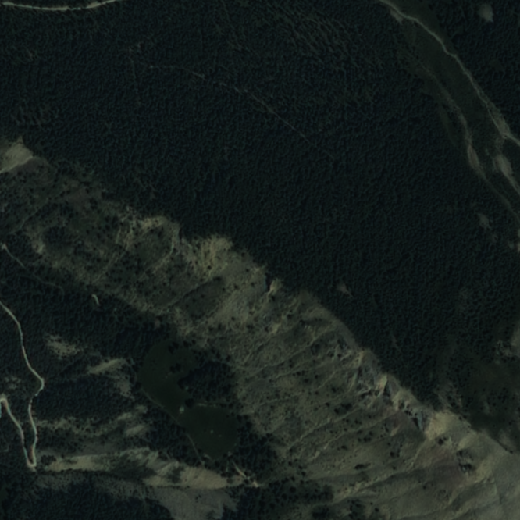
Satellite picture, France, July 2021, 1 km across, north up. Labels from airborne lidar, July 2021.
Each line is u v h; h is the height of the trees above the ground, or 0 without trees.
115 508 21
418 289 15
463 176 22
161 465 0
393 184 21
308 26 23
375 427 0
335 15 15
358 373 0
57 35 8
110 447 0
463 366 6
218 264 0
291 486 0
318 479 0
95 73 20
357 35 20
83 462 0
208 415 0
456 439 0
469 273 11
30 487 6
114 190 7
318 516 16
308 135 20
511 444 0
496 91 19
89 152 15
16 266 16
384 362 10
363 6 16
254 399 0
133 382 13
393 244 19
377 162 23
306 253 21
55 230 10
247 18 17
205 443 0
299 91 18
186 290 0
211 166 17
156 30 20
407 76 22
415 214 18
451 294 6
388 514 0
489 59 17
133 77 11
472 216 16
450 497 0
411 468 0
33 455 0
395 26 13
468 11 24
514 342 0
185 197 23
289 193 23
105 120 18
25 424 6
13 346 13
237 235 13
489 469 0
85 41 20
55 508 19
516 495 0
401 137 24
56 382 7
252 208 26
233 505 0
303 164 24
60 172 12
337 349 0
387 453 0
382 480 0
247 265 0
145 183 18
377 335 12
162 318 9
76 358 11
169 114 15
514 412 0
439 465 0
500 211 9
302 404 0
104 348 11
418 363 8
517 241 9
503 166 0
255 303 0
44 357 12
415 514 0
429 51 0
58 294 18
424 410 0
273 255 11
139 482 8
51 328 12
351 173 21
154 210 7
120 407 12
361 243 17
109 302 8
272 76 13
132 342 25
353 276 18
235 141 13
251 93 17
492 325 9
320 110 14
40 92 19
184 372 0
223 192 24
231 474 8
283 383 0
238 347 0
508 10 15
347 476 0
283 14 22
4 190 6
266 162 23
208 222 11
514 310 8
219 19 20
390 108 20
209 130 21
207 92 19
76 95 17
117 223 8
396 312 13
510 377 0
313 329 0
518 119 15
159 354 0
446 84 12
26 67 15
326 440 0
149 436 7
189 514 0
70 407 13
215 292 0
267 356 0
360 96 21
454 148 14
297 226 14
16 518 9
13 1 14
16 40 9
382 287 16
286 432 0
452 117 14
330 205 21
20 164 0
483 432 0
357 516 11
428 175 14
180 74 14
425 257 12
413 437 0
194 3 17
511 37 21
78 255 12
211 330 8
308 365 0
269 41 21
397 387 0
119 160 12
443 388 0
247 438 11
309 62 20
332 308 8
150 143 18
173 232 0
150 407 20
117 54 11
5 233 15
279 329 0
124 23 16
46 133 17
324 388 0
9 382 7
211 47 15
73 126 21
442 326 6
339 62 15
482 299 8
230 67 13
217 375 12
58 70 19
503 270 11
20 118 17
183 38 17
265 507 18
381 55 17
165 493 0
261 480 8
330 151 21
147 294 11
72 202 0
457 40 22
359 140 19
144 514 20
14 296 17
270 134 18
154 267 0
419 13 0
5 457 9
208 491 0
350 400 0
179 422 0
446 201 15
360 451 0
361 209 19
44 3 14
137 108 17
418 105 21
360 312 12
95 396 15
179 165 17
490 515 0
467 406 7
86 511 23
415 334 11
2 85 24
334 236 18
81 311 24
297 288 6
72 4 17
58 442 7
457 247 14
